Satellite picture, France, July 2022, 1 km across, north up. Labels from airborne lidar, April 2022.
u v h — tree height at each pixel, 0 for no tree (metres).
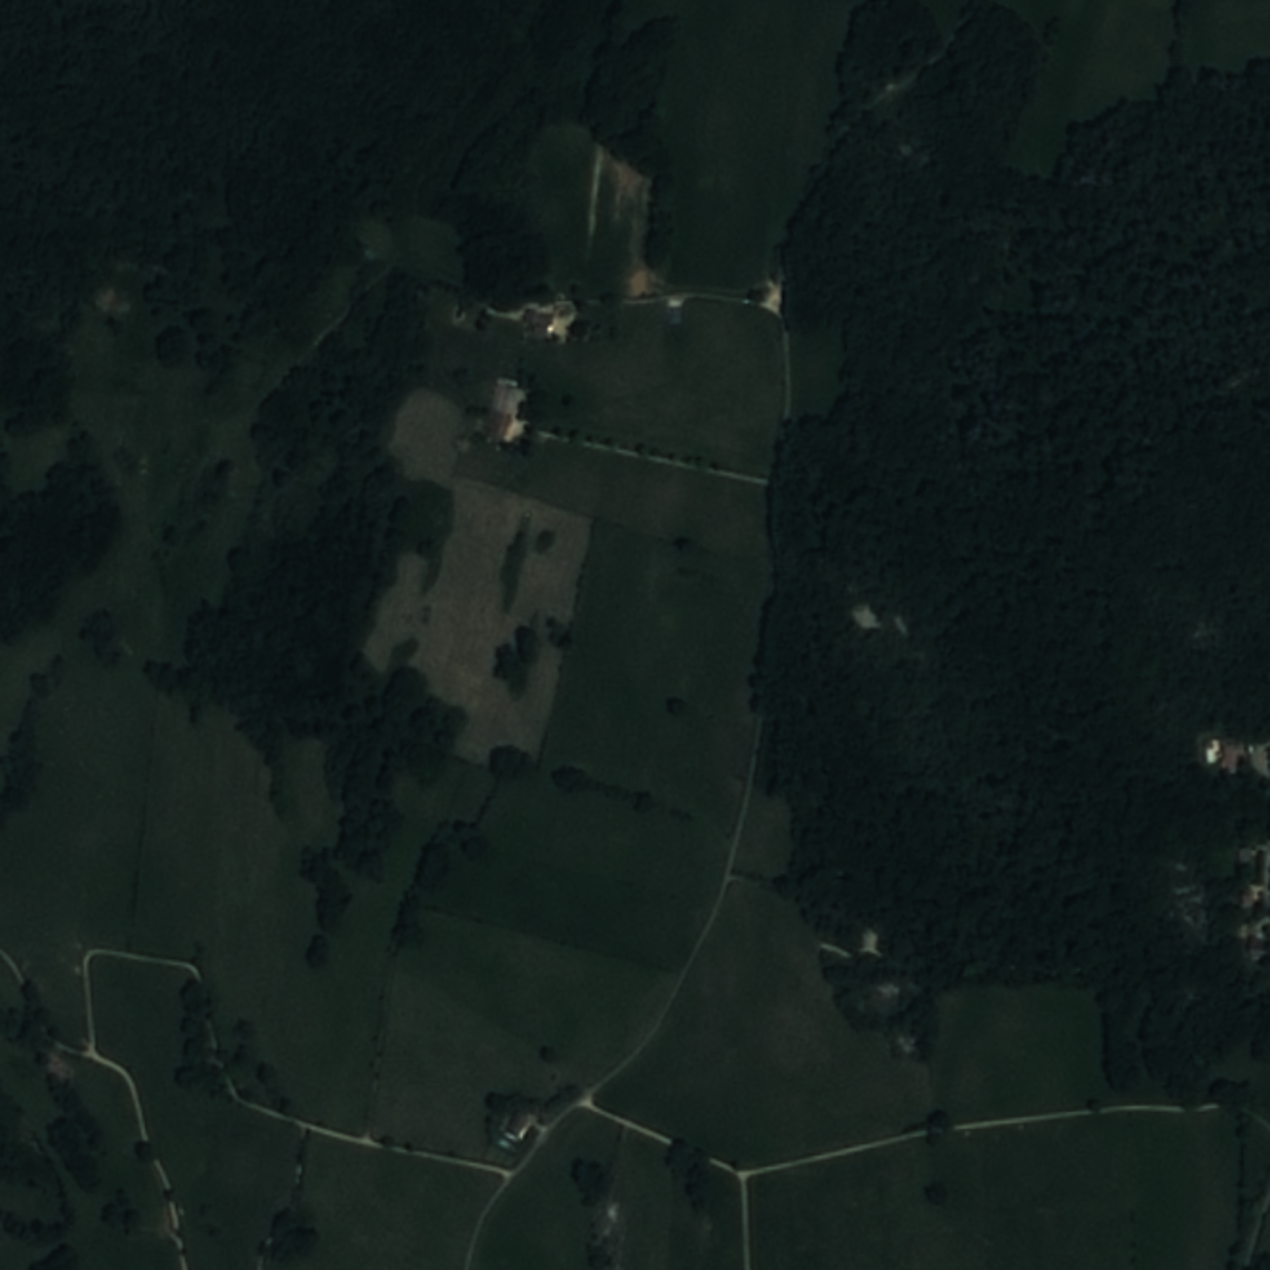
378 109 18
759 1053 0
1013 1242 0
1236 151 17
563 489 0
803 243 17
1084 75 0
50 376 16
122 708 0
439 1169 0
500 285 20
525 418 8
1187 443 23
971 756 14
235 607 9
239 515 0
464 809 0
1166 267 23
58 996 0
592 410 0
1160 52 0
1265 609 6
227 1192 0
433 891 12
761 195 0
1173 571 12
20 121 19
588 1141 0
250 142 10
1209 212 8
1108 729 22
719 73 0
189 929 0
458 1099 0
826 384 0
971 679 18
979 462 25
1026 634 23
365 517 15
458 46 20
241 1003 0
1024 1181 0
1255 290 23
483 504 0
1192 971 16
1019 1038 0
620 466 0
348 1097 0
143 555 0
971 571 22
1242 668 14
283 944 0
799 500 21
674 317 0
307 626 13
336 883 21
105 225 17
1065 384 14
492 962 0
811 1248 0
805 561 19
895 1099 0
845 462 11
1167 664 8
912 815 20
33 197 16
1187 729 5
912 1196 0
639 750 0
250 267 8
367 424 11
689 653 0
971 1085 0
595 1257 6
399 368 12
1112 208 20
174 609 0
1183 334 22
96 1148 14
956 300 17
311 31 21
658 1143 0
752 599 0
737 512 0
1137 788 19
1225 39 0
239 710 16
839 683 15
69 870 0
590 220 0
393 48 18
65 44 11
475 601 0
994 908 20
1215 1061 14
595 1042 0
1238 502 16
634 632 0
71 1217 12
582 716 0
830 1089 0
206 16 18
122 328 19
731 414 0
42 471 0
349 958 0
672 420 0
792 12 0
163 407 0
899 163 10
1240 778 19
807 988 0
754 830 0
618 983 0
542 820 0
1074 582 20
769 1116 0
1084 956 22
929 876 23
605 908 0
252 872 0
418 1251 0
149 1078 0
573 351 0
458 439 0
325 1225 0
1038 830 23
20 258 20
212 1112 0
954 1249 0
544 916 0
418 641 0
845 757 20
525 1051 0
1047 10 0
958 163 19
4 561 23
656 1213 0
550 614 0
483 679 0
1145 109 9
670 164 14
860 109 15
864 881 18
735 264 0
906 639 6
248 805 0
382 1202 0
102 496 18
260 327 11
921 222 8
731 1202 0
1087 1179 0
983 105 14
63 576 15
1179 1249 0
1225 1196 0
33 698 8
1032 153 0
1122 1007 18
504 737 0
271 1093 6
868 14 15
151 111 16
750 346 0
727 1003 0
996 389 19
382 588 8
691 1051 0
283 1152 0
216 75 16
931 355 19
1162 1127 0
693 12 0
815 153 0
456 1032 0
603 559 0
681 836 0
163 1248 0
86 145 18
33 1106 0
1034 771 20
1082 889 22
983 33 19
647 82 9
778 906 0
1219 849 10
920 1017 17
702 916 0
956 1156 0
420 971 0
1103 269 24
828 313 19
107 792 0
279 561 9
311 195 21
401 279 12
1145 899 14
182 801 0
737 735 0
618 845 0
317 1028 0
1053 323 28
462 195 15
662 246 19
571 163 0
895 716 11
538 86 7
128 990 0
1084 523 22
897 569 16
